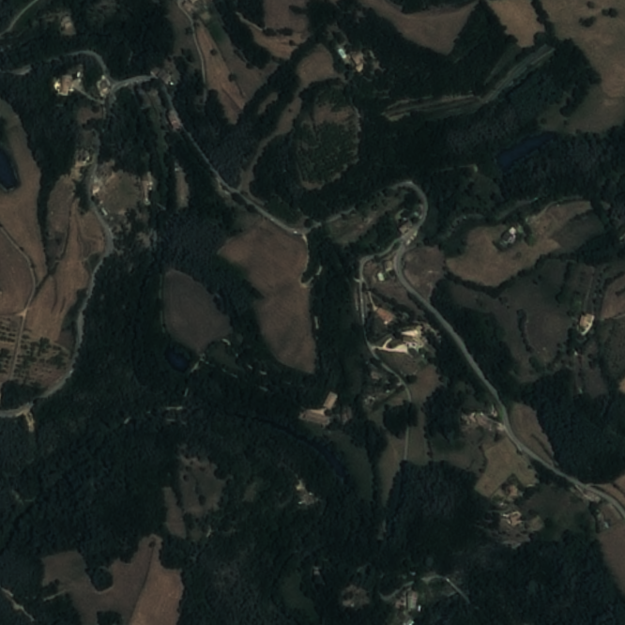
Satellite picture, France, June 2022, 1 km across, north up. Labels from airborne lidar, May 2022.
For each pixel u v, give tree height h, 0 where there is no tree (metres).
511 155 0
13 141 0
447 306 15
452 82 18
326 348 10
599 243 10
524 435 0
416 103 6
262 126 20
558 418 31
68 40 14
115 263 14
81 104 18
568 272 7
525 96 32
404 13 11
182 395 12
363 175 20
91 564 11
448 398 25
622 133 22
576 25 0
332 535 22
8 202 0
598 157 24
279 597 16
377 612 15
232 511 12
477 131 25
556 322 0
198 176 16
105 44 14
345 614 14
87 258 0
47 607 17
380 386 9
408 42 13
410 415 10
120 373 17
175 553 8
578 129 8
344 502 21
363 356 9
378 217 6
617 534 0
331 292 20
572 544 17
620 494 0
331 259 32
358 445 14
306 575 6
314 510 12
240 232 6
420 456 0
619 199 17
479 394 14
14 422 10
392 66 14
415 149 12
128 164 20
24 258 0
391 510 16
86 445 19
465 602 17
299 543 17
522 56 13
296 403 18
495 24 18
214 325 0
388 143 7
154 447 15
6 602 15
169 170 8
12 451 13
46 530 17
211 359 14
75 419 12
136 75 19
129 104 19
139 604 0
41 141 14
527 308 0
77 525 21
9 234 0
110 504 14
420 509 17
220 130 16
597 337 6
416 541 20
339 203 18
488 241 0
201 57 0
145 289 20
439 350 15
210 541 11
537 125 13
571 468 25
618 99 0
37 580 13
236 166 19
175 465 16
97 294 13
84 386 11
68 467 10
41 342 6
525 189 17
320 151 9
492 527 14
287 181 14
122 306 22
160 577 0
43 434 18
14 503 20
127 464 15
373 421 13
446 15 0
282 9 0
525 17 0
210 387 31
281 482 9
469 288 12
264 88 15
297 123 11
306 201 15
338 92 8
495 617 19
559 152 19
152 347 19
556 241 0
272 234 0
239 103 0
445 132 17
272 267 0
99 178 0
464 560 12
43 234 7
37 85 13
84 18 17
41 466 20
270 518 19
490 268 0
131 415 8
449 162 12
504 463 0
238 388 18
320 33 10
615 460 18
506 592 8
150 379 21
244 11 14
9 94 18
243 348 15
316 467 7
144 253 16
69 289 0
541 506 0
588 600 18
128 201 0
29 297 0
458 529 14
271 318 0
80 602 0
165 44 26
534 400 12
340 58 6
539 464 13
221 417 23
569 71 19
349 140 9
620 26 0
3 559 20
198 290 0
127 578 0
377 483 16
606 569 12
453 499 14
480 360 15
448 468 15
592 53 0
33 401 15
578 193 12
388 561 13
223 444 22
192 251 21
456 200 21
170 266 17
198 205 13
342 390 18
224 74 0
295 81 15
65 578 0
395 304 12
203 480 0
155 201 26
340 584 13
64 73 16
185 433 12
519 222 9
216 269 21
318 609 16
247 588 8
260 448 8
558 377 12
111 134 18
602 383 0
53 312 0
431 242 18
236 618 12
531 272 7
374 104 15
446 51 0
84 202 6
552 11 0
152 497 14
